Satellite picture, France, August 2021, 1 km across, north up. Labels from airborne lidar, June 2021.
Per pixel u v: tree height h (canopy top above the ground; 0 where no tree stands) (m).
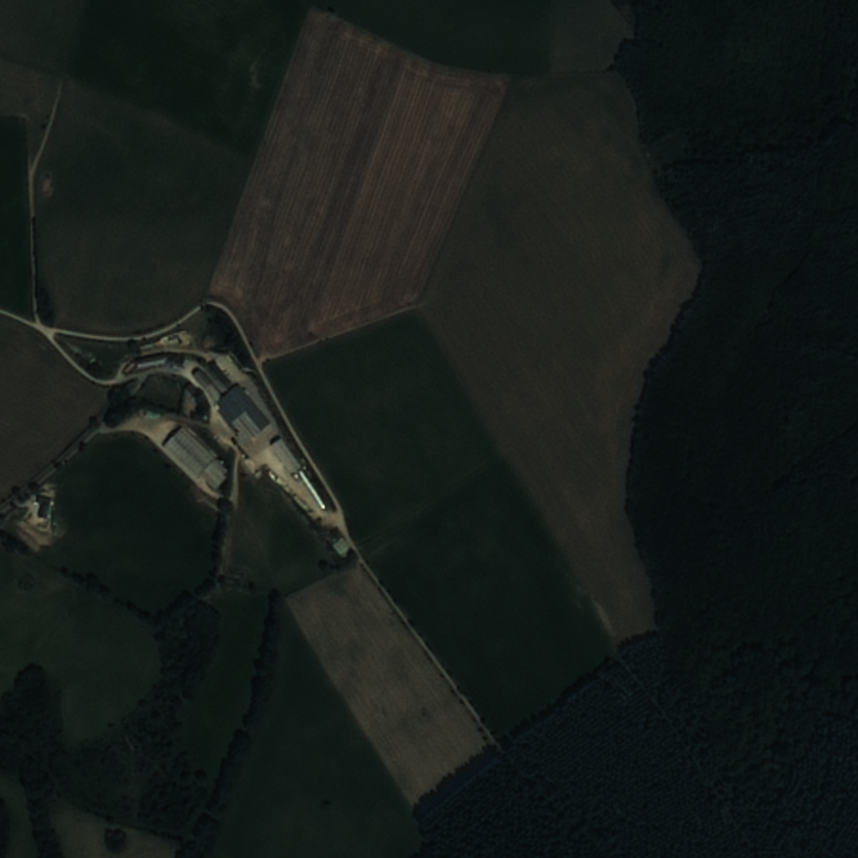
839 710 14
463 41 0
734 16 22
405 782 0
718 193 17
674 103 18
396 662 0
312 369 0
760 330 16
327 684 0
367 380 0
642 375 0
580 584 0
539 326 0
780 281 13
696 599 18
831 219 19
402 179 0
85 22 0
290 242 0
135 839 0
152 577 0
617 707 19
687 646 21
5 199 0
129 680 0
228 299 0
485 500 0
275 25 0
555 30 0
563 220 0
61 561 0
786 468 19
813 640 26
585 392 0
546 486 0
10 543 18
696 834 21
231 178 0
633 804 18
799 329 20
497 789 27
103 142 0
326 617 0
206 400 12
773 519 22
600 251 0
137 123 0
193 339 0
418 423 0
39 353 0
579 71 0
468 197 0
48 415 0
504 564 0
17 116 0
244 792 0
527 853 25
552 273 0
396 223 0
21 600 0
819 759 22
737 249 14
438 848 29
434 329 0
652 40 14
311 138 0
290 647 0
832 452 17
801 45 23
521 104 0
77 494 0
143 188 0
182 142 0
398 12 0
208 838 18
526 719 0
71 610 0
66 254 0
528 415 0
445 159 0
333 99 0
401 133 0
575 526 0
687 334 18
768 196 16
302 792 0
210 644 18
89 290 0
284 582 0
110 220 0
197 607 17
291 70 0
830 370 18
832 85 25
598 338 0
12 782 0
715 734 16
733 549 23
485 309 0
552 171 0
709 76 15
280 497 0
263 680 15
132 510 0
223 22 0
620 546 0
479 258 0
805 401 19
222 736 0
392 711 0
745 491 21
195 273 0
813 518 25
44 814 21
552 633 0
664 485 18
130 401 15
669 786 15
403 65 0
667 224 0
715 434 18
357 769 0
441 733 0
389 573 0
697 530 22
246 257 0
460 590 0
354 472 0
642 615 0
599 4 0
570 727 19
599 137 0
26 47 0
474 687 0
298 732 0
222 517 11
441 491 0
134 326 0
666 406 19
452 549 0
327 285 0
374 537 0
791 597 25
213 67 0
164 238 0
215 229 0
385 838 0
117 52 0
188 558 0
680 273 0
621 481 0
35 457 0
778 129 8
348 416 0
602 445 0
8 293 0
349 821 0
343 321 0
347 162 0
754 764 9
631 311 0
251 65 0
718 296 15
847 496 28
